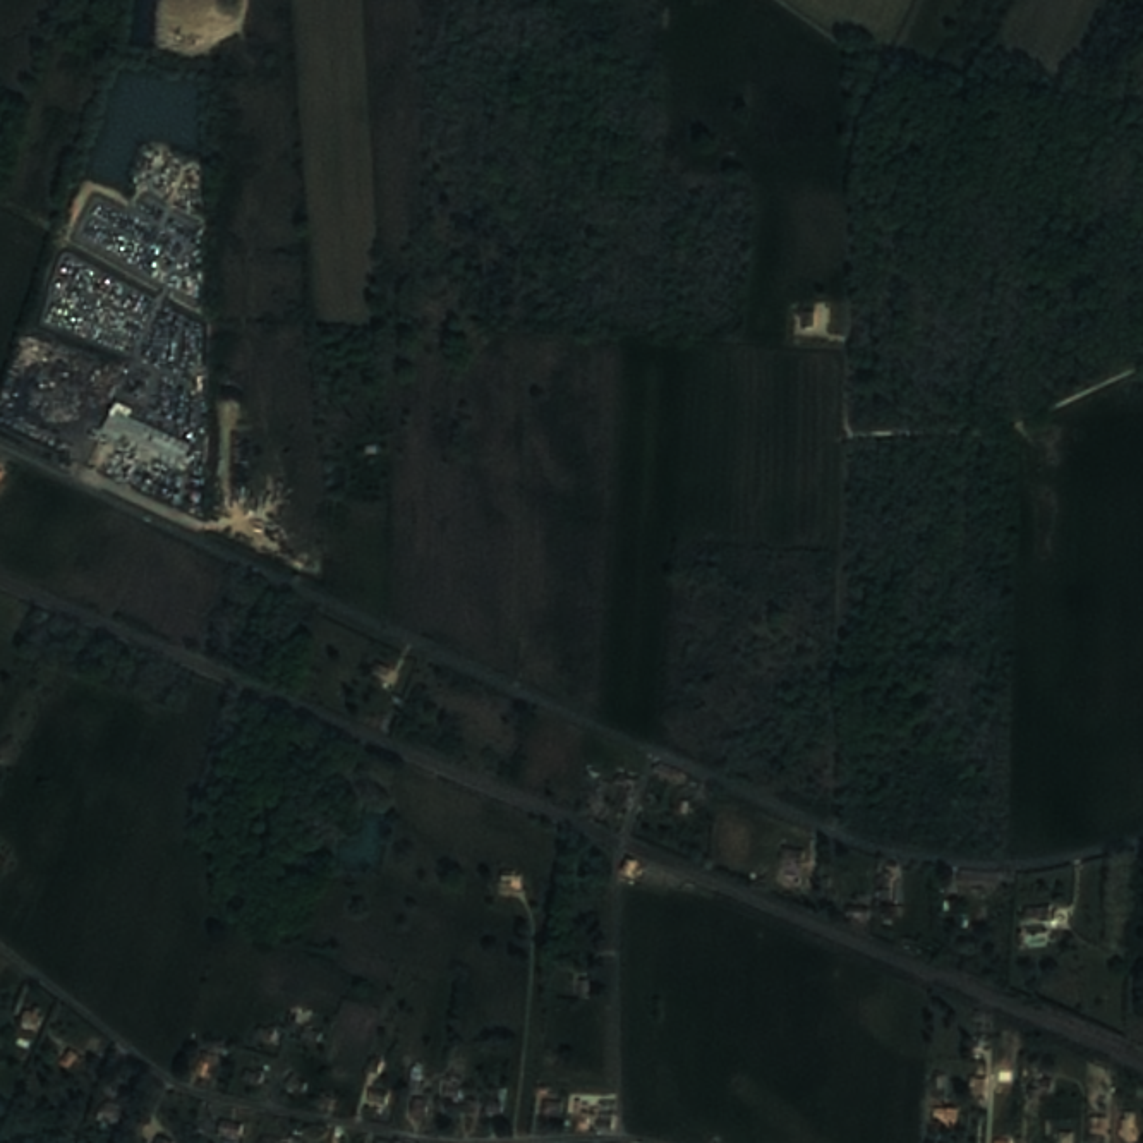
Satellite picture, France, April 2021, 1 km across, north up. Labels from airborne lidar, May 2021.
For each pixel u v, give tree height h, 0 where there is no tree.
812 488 0
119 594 0
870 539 12
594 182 16
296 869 11
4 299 0
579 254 10
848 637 14
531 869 0
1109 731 0
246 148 0
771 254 0
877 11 0
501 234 13
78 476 0
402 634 0
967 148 21
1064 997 0
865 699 17
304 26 0
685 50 0
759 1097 0
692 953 0
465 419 13
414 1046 0
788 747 8
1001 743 29
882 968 0
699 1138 0
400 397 0
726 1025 0
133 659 18
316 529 0
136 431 0
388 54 0
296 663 21
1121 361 16
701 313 9
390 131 0
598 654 0
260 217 0
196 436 0
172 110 0
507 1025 0
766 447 0
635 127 16
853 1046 0
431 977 0
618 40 9
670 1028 0
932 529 12
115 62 9
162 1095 18
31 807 0
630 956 0
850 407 8
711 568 11
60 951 0
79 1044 0
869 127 19
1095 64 16
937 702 14
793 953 0
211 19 0
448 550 0
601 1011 0
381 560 0
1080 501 0
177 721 0
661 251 14
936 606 11
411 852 14
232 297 0
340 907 0
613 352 0
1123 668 0
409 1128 0
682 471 0
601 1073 0
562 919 18
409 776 0
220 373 12
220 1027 0
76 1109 16
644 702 0
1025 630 0
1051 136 18
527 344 0
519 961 12
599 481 0
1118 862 16
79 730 0
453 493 0
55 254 0
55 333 0
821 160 0
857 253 13
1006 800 24
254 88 0
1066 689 0
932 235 17
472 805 0
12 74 0
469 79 8
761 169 0
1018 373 16
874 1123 0
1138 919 7
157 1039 0
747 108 17
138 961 0
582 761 0
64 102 0
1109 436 0
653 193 8
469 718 0
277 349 0
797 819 0
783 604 9
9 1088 0
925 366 19
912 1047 0
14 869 0
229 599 8
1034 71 19
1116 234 15
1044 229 18
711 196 7
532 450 0
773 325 0
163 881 0
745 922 0
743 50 0
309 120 0
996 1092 0
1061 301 11
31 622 5
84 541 0
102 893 0
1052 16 0
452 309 0
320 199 0
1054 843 0
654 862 0
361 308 0
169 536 0
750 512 0
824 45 0
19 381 0
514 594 0
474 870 0
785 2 0
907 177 16
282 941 10
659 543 0
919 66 19
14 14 0
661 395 0
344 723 0
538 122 12
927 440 18
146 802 0
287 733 21
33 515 0
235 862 19
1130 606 0
